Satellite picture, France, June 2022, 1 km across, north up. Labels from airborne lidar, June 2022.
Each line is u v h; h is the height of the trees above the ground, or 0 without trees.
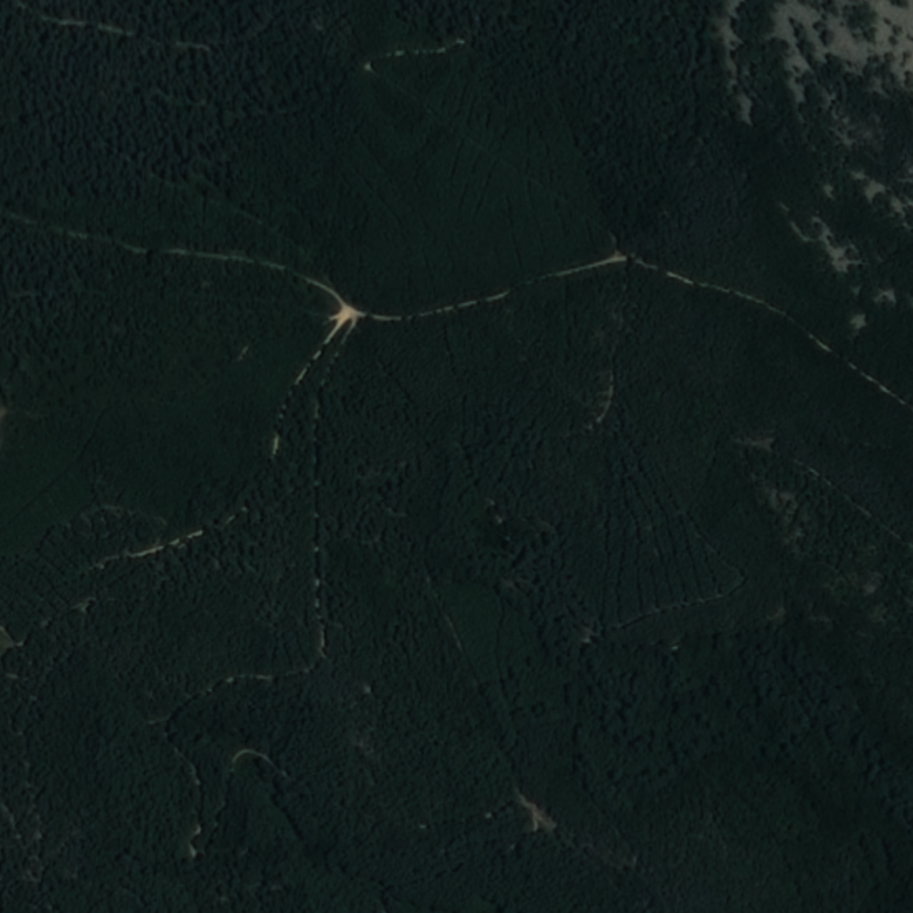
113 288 16
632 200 10
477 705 21
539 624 28
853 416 21
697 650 12
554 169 12
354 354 10
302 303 7
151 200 12
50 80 24
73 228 8
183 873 28
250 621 17
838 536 16
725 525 20
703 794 17
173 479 13
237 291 11
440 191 9
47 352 12
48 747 20
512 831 26
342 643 18
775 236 13
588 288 12
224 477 13
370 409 24
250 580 13
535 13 13
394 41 13
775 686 35
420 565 20
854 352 15
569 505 13
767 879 22
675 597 22
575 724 17
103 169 22
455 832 23
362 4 10
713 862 19
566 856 20
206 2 15
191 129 30
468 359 18
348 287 8
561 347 13
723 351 19
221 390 9
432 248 8
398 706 23
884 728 15
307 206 14
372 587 9
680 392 20
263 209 11
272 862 26
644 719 27
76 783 25
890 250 17
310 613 20
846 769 33
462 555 28
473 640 9
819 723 33
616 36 12
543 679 10
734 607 21
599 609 23
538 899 30
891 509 18
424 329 16
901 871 26
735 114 11
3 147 29
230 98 26
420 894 35
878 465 16
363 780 8
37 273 20
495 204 10
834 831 23
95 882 26
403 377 18
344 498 24
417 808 12
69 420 11
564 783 12
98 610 23
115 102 25
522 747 20
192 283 9
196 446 11
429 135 13
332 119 13
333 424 21
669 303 16
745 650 15
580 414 14
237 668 11
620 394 13
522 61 14
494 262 10
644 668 16
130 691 17
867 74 7
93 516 9
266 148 14
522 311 11
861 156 9
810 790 21
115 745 28
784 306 14
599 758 13
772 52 14
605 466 14
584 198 13
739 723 12
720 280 13
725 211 11
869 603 5
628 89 14
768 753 14
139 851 34
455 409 21
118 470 10
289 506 25
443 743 25
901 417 16
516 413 24
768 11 13
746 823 15
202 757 23
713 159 14
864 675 12
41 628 22
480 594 9
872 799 28
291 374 14
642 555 20
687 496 17
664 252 16
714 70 16
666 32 18
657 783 31
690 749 13
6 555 6
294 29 16
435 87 11
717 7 8
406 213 10
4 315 16
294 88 6
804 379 17
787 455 11
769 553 23
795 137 9
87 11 25
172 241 11
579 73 18
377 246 10
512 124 14
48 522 7
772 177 12
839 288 9
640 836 17
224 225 12
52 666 18
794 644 19
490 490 31
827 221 8
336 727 26
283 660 22
